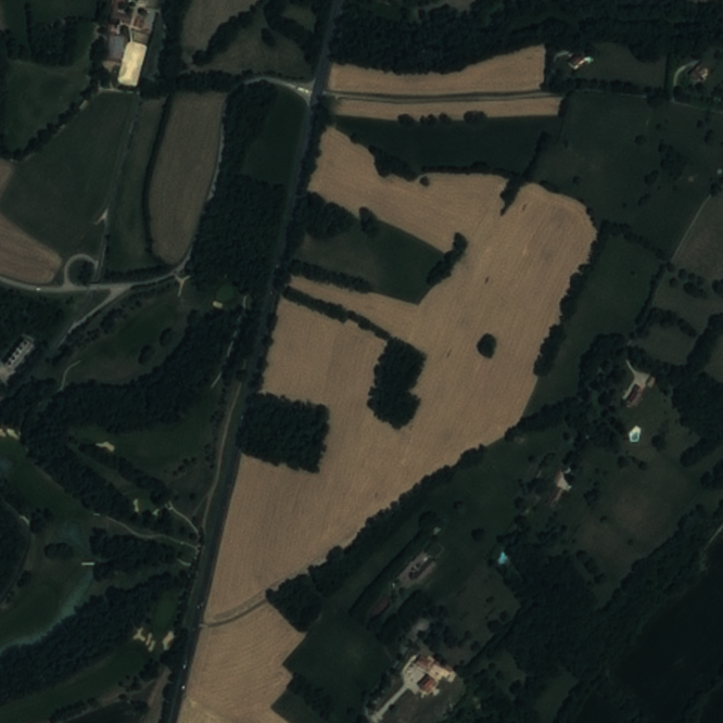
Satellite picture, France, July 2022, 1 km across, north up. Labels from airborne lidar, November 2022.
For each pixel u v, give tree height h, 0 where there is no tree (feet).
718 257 0
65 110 0
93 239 0
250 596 0
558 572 70
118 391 75
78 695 0
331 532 0
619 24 89
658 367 48
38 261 0
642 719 54
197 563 27
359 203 0
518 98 0
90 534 0
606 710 0
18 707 0
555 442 0
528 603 52
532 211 0
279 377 0
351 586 0
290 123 0
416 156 0
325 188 0
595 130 0
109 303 0
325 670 0
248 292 82
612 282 0
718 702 0
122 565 79
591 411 94
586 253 0
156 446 0
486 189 0
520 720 72
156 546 74
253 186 68
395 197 0
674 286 30
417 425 0
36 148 63
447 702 0
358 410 0
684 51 77
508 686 0
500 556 0
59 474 86
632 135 0
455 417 0
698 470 0
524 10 93
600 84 47
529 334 0
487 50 67
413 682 0
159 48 0
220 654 0
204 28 0
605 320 0
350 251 0
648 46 78
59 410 73
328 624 0
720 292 60
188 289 0
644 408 0
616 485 0
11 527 69
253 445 79
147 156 0
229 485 0
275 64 0
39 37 31
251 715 0
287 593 54
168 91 69
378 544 47
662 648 0
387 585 35
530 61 0
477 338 0
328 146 0
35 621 0
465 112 0
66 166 0
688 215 0
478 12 61
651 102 50
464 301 0
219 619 0
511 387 0
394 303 0
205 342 76
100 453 68
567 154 0
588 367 76
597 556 0
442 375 0
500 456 0
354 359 0
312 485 0
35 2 0
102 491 61
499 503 0
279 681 0
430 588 0
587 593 80
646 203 33
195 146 0
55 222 0
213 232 66
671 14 84
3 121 61
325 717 40
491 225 0
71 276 0
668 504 0
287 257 27
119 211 0
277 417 78
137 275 53
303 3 47
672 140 0
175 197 0
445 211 0
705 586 0
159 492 83
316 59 49
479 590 0
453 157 0
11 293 34
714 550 0
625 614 59
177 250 0
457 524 0
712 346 81
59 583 0
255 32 0
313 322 0
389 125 0
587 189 0
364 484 0
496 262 0
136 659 0
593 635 77
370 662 0
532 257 0
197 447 0
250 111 67
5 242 0
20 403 71
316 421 33
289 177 0
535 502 0
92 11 0
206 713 0
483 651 27
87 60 0
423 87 0
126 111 0
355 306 0
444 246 0
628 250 0
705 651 0
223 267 86
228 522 0
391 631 53
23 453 0
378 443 0
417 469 0
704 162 0
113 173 0
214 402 0
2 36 35
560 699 0
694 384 72
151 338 0
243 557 0
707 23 83
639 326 33
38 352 57
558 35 58
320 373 0
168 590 55
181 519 0
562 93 65
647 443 0
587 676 83
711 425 78
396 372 71
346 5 29
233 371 61
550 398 0
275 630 0
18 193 0
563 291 0
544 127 0
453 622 0
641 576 59
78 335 30
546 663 84
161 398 101
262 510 0
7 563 74
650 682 0
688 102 37
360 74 0
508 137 0
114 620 89
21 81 0
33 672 86
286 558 0
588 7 87
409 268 0
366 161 0
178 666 64
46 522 73
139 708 39
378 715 0
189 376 100
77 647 95
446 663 46
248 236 88
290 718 0
